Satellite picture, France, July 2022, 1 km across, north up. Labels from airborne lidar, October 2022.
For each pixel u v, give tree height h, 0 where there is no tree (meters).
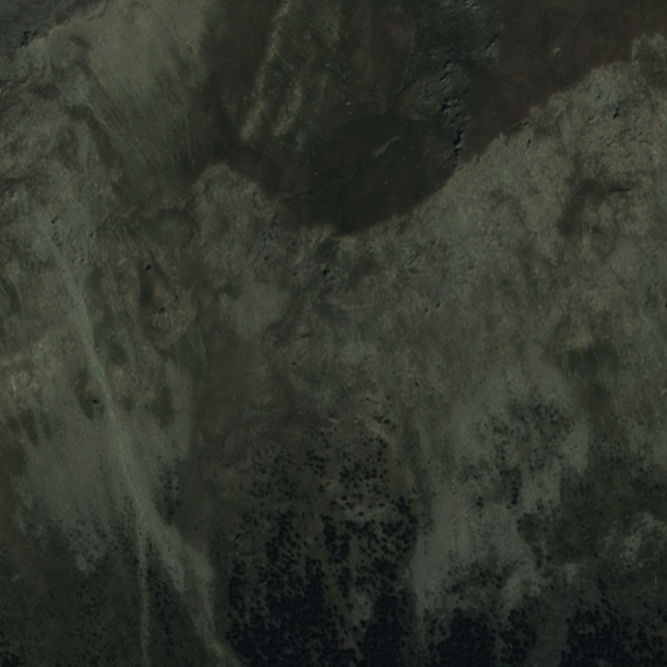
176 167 0
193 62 0
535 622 0
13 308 0
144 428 0
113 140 0
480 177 0
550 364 0
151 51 0
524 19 0
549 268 0
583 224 0
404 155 0
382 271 0
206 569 0
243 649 9
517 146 0
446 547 0
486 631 11
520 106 0
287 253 0
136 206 0
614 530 0
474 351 0
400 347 0
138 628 0
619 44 0
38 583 0
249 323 0
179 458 0
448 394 0
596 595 0
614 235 0
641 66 0
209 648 0
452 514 0
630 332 0
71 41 0
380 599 10
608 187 0
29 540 0
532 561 0
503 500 0
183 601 0
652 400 0
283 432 0
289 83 0
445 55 0
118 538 0
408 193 0
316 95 0
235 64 0
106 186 0
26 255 0
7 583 0
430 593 0
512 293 0
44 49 0
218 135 0
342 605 0
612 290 0
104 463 0
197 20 0
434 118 0
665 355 0
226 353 0
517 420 0
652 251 0
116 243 0
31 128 0
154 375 0
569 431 0
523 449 0
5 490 0
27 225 0
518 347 0
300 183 0
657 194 0
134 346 0
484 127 0
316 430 0
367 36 0
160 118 0
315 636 14
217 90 0
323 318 0
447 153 0
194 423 0
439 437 0
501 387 0
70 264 0
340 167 0
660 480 0
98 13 0
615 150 0
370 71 0
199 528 0
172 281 0
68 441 0
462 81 0
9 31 0
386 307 0
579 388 0
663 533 0
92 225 0
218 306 0
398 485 0
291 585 10
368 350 0
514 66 0
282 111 0
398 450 0
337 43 0
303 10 0
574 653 10
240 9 0
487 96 0
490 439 0
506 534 0
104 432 0
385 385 0
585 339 0
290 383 0
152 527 0
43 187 0
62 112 0
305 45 0
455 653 11
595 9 0
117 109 0
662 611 10
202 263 0
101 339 0
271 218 0
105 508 0
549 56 0
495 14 0
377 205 0
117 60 0
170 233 0
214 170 0
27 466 0
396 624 12
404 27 0
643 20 0
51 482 0
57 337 0
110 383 0
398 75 0
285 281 0
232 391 0
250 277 0
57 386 0
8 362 0
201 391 0
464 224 0
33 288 0
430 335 0
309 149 0
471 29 0
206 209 0
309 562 9
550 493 0
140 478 0
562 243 0
